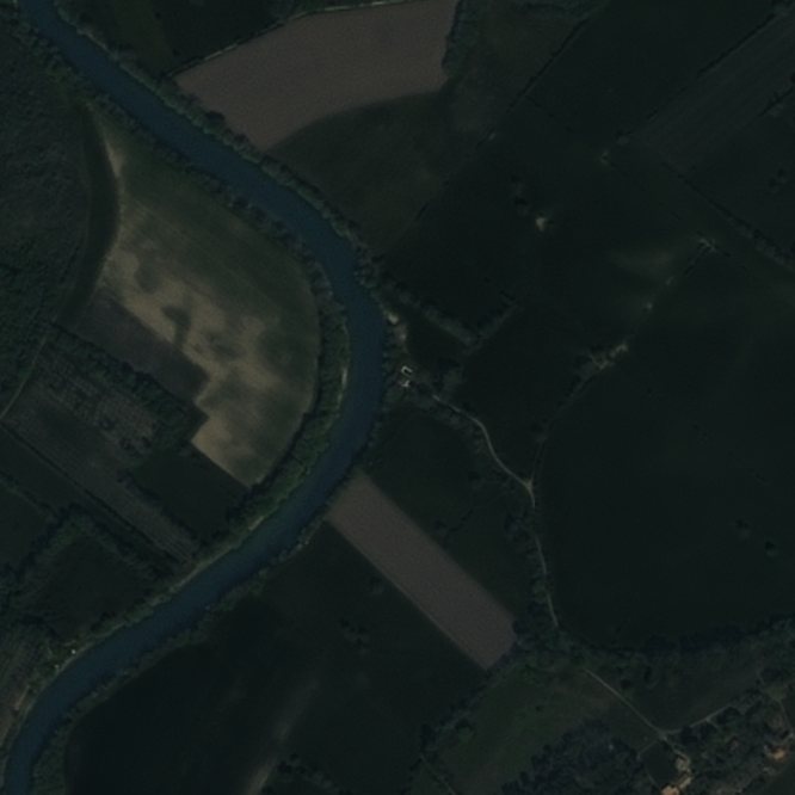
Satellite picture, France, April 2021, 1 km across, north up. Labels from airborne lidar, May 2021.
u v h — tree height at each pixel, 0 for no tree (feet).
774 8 26
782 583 0
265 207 0
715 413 0
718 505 0
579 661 67
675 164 0
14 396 58
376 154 0
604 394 0
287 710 0
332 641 0
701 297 0
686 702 0
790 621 36
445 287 0
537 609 49
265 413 0
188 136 0
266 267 0
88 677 0
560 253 0
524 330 0
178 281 0
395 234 0
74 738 0
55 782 56
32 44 32
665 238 0
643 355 0
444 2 0
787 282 0
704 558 0
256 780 0
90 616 0
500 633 0
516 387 0
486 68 0
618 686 0
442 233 0
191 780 0
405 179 0
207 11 0
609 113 0
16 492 36
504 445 0
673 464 0
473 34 60
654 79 0
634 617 0
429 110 0
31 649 83
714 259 0
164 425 86
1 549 0
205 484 0
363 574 0
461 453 0
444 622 0
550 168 0
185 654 0
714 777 36
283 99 0
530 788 63
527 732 0
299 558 0
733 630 0
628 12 0
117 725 0
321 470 0
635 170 0
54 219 21
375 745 0
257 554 0
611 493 0
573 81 0
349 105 0
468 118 0
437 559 0
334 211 33
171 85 64
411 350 0
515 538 54
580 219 0
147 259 0
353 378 0
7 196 18
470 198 0
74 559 0
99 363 55
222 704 0
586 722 0
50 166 18
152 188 0
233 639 0
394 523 0
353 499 0
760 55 0
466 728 67
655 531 0
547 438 42
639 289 0
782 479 0
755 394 0
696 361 0
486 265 0
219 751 0
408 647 0
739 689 0
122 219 0
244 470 0
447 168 0
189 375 0
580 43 0
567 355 0
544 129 0
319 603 0
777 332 0
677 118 0
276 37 0
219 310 0
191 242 0
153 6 0
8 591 44
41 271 35
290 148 0
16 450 0
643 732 0
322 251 0
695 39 0
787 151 0
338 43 0
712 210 0
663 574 0
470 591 0
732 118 0
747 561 0
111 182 0
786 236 0
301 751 0
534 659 65
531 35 0
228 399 0
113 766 0
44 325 39
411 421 0
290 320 0
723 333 0
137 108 0
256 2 0
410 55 0
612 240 0
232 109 0
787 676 24
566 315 0
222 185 40
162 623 0
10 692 80
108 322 0
